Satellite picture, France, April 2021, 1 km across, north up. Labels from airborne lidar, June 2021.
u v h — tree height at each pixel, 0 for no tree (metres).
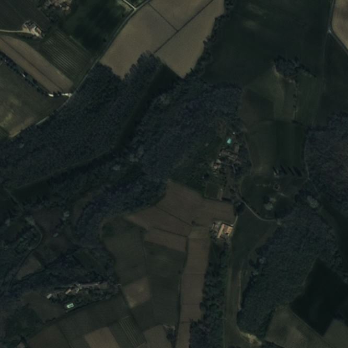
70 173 0
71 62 0
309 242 15
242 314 12
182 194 0
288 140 0
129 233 0
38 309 0
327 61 0
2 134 0
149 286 0
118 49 0
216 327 20
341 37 0
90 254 19
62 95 11
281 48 0
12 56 0
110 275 12
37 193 0
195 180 7
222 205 0
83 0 0
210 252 0
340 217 0
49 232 0
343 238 0
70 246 0
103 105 26
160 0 0
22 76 17
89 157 29
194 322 13
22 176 25
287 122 0
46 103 0
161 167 21
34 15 0
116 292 12
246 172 22
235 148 0
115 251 0
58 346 0
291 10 0
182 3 0
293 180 0
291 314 0
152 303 0
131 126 0
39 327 8
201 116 20
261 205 0
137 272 0
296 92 0
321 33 0
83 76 0
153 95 0
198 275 0
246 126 0
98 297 9
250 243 0
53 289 19
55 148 34
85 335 0
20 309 11
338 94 0
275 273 25
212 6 0
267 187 0
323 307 0
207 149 5
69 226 7
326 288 0
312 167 7
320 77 0
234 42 0
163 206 0
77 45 0
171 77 0
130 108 35
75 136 32
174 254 0
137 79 30
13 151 26
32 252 7
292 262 22
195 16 0
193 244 0
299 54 0
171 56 0
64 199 18
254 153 0
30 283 8
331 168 14
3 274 8
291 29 0
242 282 0
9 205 0
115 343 0
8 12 0
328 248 23
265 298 20
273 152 0
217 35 9
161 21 0
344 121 18
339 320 18
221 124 10
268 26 0
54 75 0
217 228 0
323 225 26
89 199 0
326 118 0
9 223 27
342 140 18
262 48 0
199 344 21
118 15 0
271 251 22
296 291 21
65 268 22
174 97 16
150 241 0
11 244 15
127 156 18
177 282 0
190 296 0
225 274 17
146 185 12
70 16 0
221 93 21
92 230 23
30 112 0
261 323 11
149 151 22
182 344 0
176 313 0
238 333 0
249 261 0
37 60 0
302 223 15
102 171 29
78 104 31
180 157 18
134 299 0
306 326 0
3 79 0
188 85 20
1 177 31
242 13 0
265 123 0
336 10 0
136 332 0
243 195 0
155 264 0
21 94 0
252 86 0
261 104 0
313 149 12
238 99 21
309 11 0
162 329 0
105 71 22
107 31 0
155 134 8
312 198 29
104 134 37
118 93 26
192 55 0
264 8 0
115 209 23
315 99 0
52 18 12
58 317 0
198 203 0
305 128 0
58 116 24
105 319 0
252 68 0
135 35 0
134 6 0
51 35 0
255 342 0
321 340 0
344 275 13
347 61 0
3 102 0
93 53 0
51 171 32
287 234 17
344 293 0
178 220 0
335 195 7
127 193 20
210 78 0
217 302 17
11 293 7
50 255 0
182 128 9
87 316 0
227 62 0
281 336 0
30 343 0
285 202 0
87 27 0
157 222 0
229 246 14
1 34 0
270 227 0
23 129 0
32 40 13
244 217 0
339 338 0
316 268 0
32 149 24
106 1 0
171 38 0
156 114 22
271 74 0
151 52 0
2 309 11
